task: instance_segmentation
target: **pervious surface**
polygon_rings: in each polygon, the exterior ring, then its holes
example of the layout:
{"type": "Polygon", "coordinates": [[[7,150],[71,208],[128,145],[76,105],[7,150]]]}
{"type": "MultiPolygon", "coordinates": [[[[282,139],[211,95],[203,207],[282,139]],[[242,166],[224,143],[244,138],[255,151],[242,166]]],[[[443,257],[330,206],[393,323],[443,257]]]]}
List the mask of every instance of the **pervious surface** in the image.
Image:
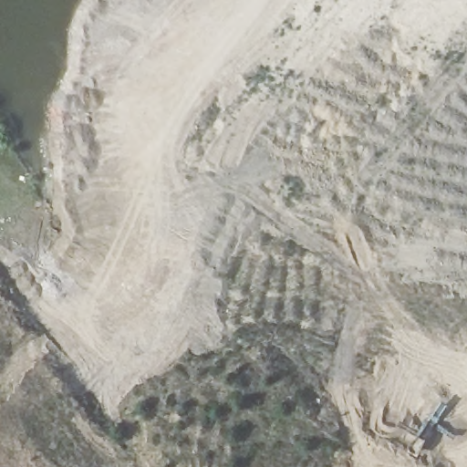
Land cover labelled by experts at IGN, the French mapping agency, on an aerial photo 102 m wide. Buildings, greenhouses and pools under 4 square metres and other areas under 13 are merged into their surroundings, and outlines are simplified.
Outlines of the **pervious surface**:
{"type": "Polygon", "coordinates": [[[159,447],[151,441],[153,434],[150,432],[150,423],[144,418],[144,400],[140,396],[135,396],[131,390],[151,376],[161,376],[164,370],[173,367],[181,356],[186,354],[186,350],[192,350],[193,354],[204,354],[210,350],[217,350],[223,343],[221,337],[232,336],[237,328],[243,328],[246,323],[254,323],[259,292],[266,297],[279,297],[285,301],[286,323],[292,321],[303,328],[310,328],[314,319],[321,321],[321,330],[341,332],[339,347],[336,350],[336,367],[330,374],[327,387],[330,398],[341,412],[341,418],[337,420],[339,431],[336,441],[339,451],[334,452],[332,467],[467,467],[467,328],[460,330],[454,341],[449,339],[445,330],[441,330],[431,341],[421,330],[420,323],[414,316],[392,297],[387,283],[389,272],[392,270],[403,274],[401,283],[440,283],[449,286],[449,290],[460,292],[460,296],[467,299],[467,0],[80,0],[67,33],[66,73],[60,78],[60,86],[53,93],[47,106],[47,131],[40,137],[40,153],[44,157],[46,181],[44,195],[38,201],[33,206],[20,206],[15,212],[15,217],[5,217],[4,213],[0,212],[0,334],[13,334],[13,356],[0,368],[0,398],[11,405],[20,405],[24,394],[24,390],[20,389],[20,383],[24,381],[27,370],[33,370],[35,374],[46,379],[53,394],[62,392],[64,385],[69,390],[69,398],[77,401],[78,407],[86,414],[75,416],[73,423],[77,425],[78,431],[82,432],[82,436],[106,456],[113,458],[117,454],[113,447],[115,443],[106,436],[100,436],[97,429],[97,423],[106,416],[109,420],[119,423],[139,423],[139,434],[135,434],[128,443],[133,447],[142,467],[166,467],[159,447]]]}

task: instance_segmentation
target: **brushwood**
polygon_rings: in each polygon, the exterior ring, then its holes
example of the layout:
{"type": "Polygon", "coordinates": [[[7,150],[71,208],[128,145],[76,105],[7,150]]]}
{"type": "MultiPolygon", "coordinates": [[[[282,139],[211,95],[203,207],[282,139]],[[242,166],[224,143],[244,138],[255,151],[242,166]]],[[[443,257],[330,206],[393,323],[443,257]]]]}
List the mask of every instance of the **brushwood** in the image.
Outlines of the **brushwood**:
{"type": "Polygon", "coordinates": [[[237,394],[237,401],[244,410],[254,409],[255,405],[265,403],[265,392],[254,392],[246,396],[237,394]]]}
{"type": "Polygon", "coordinates": [[[248,361],[228,376],[228,385],[250,385],[246,368],[252,363],[248,361]]]}
{"type": "Polygon", "coordinates": [[[109,420],[106,416],[97,423],[97,429],[100,436],[106,436],[115,443],[122,451],[128,449],[128,443],[135,434],[139,434],[139,423],[119,423],[109,420]]]}
{"type": "Polygon", "coordinates": [[[325,436],[312,436],[306,441],[308,451],[316,451],[319,445],[323,445],[330,447],[334,452],[339,451],[336,441],[328,440],[325,436]]]}
{"type": "Polygon", "coordinates": [[[237,440],[244,441],[254,431],[254,423],[243,421],[233,427],[233,432],[237,440]]]}

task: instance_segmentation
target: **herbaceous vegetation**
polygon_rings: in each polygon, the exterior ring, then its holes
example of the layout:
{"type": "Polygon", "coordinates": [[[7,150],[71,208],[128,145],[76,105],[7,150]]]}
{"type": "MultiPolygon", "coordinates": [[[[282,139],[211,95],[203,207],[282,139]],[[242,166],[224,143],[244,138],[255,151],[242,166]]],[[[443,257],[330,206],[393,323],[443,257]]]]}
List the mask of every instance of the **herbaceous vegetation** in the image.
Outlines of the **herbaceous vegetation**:
{"type": "Polygon", "coordinates": [[[0,368],[13,356],[13,334],[0,334],[0,368]]]}
{"type": "Polygon", "coordinates": [[[336,350],[339,347],[341,332],[321,330],[321,321],[314,319],[310,328],[303,328],[292,321],[286,323],[285,301],[279,297],[266,297],[259,292],[254,323],[246,323],[243,328],[237,328],[232,336],[221,337],[223,343],[217,350],[210,350],[204,354],[193,354],[192,350],[186,350],[186,354],[181,356],[173,367],[164,370],[161,376],[151,376],[131,390],[135,396],[140,396],[144,400],[144,418],[150,423],[150,432],[153,434],[151,441],[159,447],[166,467],[332,467],[334,452],[330,447],[323,445],[319,445],[316,451],[308,451],[306,441],[312,436],[325,436],[328,440],[336,441],[339,431],[337,420],[341,418],[341,412],[330,398],[327,387],[330,374],[336,367],[336,350]],[[248,361],[252,363],[246,368],[250,385],[228,385],[228,376],[248,361]],[[244,410],[237,401],[237,394],[246,396],[254,392],[265,392],[265,403],[255,405],[254,409],[244,410]],[[233,432],[233,427],[243,421],[254,423],[254,431],[244,441],[237,440],[233,432]]]}
{"type": "Polygon", "coordinates": [[[445,330],[449,339],[454,341],[460,330],[467,328],[467,299],[460,296],[460,292],[449,290],[449,286],[440,283],[401,283],[403,274],[392,270],[389,272],[387,283],[392,297],[414,316],[420,323],[421,330],[431,341],[441,330],[445,330]]]}
{"type": "Polygon", "coordinates": [[[5,217],[15,217],[15,212],[20,206],[33,206],[38,201],[35,179],[27,175],[26,166],[9,144],[7,126],[0,122],[0,212],[4,213],[5,217]]]}
{"type": "Polygon", "coordinates": [[[62,392],[53,394],[46,379],[35,374],[33,370],[27,370],[24,381],[20,383],[20,389],[24,390],[24,394],[20,405],[11,405],[0,398],[0,441],[4,440],[5,436],[16,438],[22,443],[22,447],[26,447],[27,443],[33,440],[35,451],[42,452],[55,467],[102,467],[106,456],[82,436],[82,432],[78,431],[77,425],[73,423],[75,416],[86,414],[78,407],[77,401],[69,398],[69,390],[64,385],[62,392]]]}

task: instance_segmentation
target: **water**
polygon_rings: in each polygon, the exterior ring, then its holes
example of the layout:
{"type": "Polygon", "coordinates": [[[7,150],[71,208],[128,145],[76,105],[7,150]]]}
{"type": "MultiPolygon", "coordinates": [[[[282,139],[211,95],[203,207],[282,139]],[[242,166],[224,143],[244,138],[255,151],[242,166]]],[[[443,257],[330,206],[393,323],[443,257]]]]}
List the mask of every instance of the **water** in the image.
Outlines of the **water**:
{"type": "Polygon", "coordinates": [[[44,157],[40,153],[40,137],[47,131],[47,106],[53,93],[60,86],[60,78],[66,73],[67,33],[80,0],[0,0],[0,122],[7,126],[9,144],[26,166],[27,175],[35,179],[38,201],[44,195],[46,181],[44,157]]]}

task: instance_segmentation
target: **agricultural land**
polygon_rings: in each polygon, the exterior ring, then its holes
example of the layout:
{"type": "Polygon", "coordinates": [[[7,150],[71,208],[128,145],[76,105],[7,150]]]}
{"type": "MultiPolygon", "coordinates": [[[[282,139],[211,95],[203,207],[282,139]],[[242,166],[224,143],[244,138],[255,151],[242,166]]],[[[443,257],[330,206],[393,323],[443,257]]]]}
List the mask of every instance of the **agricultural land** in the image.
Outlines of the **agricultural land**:
{"type": "Polygon", "coordinates": [[[27,443],[26,447],[22,447],[22,443],[16,438],[5,436],[4,440],[0,441],[0,467],[55,467],[42,452],[35,451],[33,440],[27,443]]]}
{"type": "Polygon", "coordinates": [[[128,449],[122,451],[115,443],[113,447],[117,454],[113,458],[106,456],[102,467],[142,467],[133,447],[128,443],[128,449]]]}

